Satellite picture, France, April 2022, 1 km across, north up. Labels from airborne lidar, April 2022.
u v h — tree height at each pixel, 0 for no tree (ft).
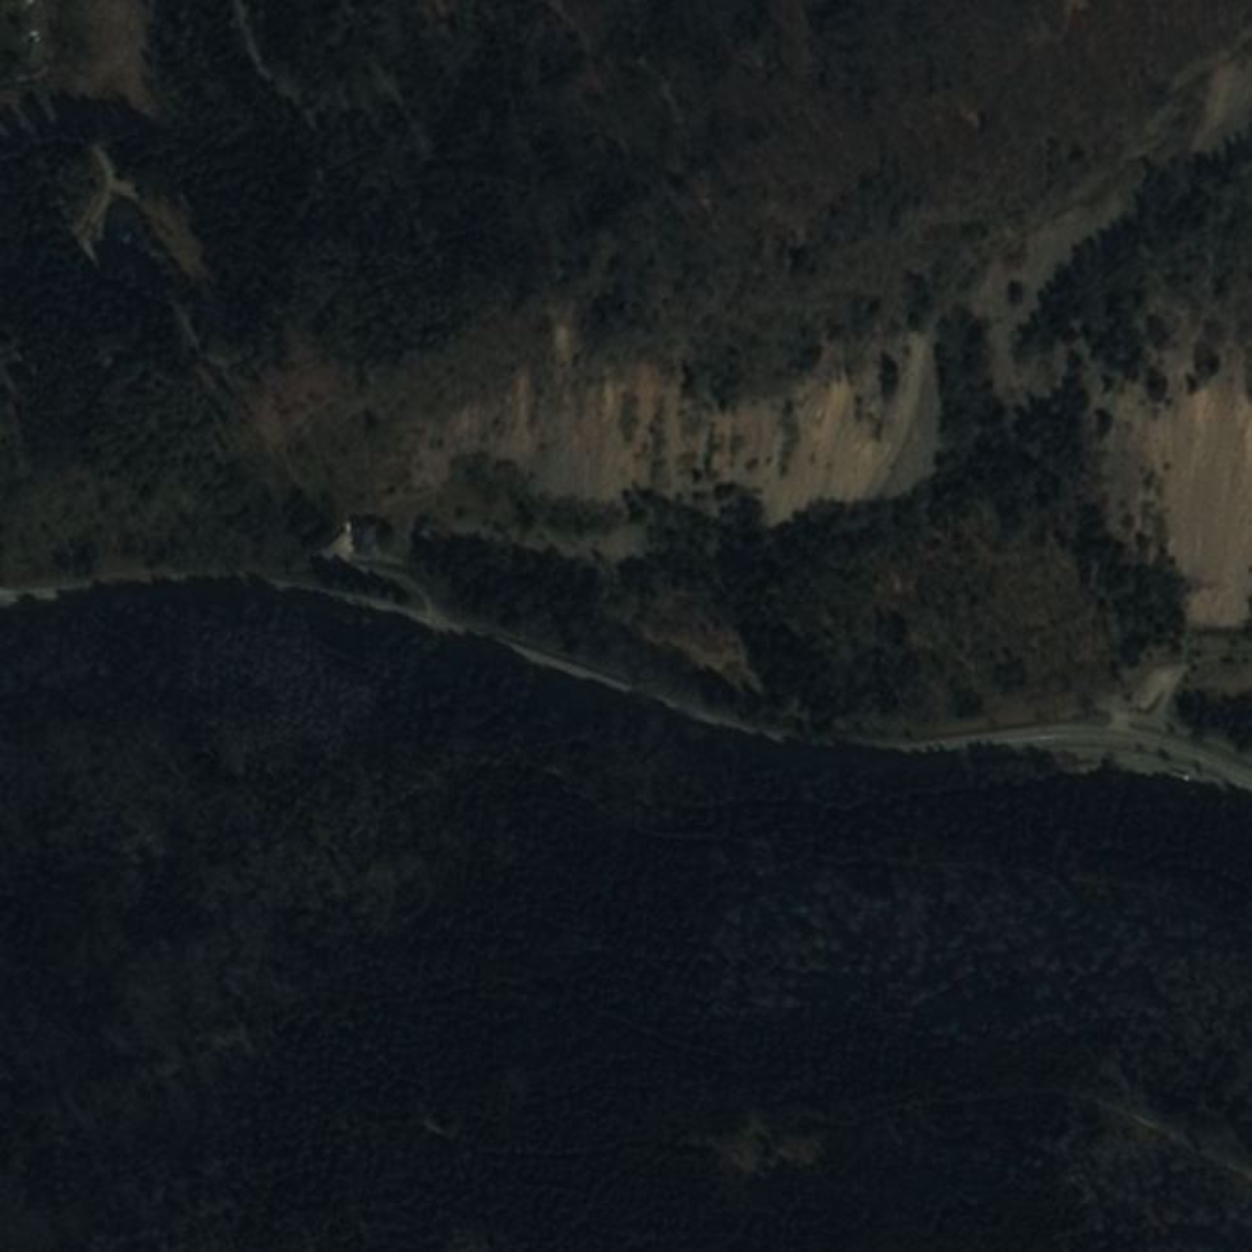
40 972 67
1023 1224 57
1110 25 67
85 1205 45
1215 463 0
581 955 80
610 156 54
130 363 86
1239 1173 34
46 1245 55
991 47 59
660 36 66
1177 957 71
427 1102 76
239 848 37
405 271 77
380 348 64
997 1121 44
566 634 90
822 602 46
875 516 51
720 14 51
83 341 88
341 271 65
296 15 68
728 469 19
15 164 78
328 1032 86
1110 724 0
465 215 64
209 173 76
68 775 86
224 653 84
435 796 90
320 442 53
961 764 49
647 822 81
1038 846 50
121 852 87
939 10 45
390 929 78
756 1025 46
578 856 78
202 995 58
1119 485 0
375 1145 79
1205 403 0
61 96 0
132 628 80
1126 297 78
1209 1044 85
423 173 83
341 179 82
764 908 86
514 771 92
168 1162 41
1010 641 21
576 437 0
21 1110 58
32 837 77
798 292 58
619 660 72
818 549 33
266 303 96
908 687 80
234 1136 45
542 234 59
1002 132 66
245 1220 28
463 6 62
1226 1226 85
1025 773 65
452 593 61
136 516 52
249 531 90
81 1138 70
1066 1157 32
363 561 0
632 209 76
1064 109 58
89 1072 56
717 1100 69
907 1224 45
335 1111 74
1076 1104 42
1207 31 52
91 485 53
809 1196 49
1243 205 47
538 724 92
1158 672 0
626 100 54
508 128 72
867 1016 50
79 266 88
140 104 0
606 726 102
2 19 0
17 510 72
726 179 73
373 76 71
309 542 99
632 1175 59
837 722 26
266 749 74
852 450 0
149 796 79
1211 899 64
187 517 72
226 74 80
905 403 0
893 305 70
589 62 46
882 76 63
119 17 0
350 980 76
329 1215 76
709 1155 64
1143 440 0
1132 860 54
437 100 78
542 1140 77
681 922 87
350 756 105
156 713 80
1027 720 0
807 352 61
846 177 79
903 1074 50
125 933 59
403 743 94
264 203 91
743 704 44
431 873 87
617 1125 66
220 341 80
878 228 78
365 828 79
